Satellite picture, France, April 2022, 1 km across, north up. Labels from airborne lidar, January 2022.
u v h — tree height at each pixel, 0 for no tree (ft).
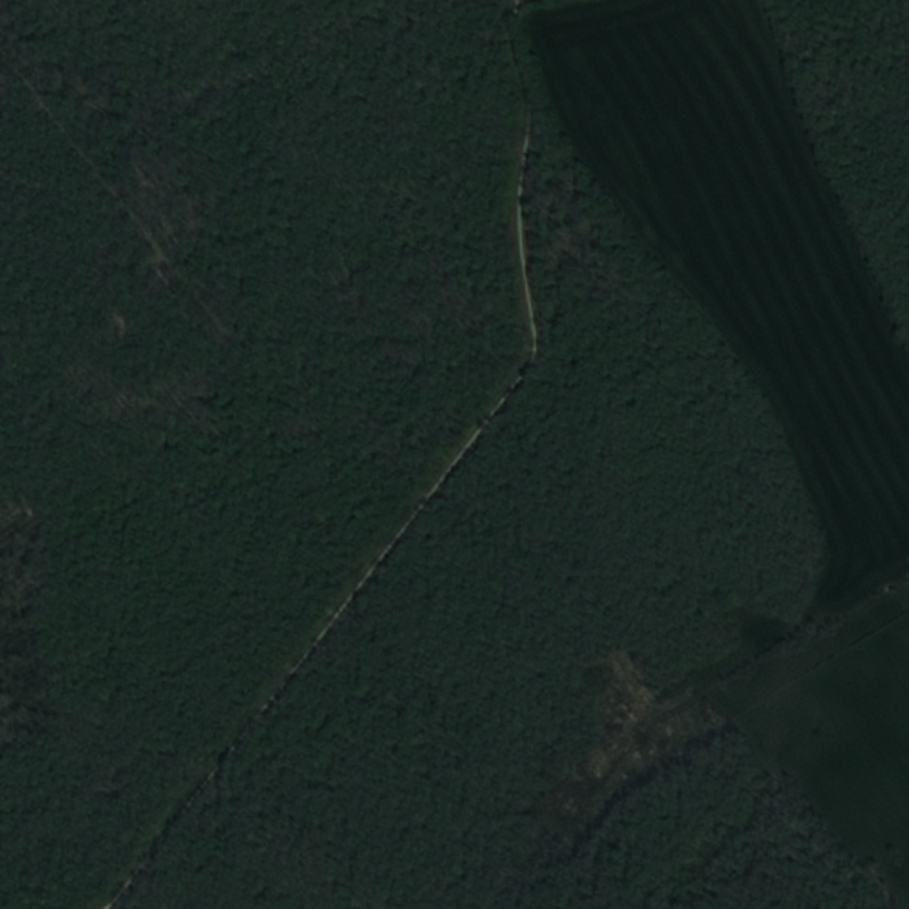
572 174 83
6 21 99
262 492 73
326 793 83
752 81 0
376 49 70
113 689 69
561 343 74
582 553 62
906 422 0
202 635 58
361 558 65
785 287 0
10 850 85
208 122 74
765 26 0
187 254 83
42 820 79
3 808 74
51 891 69
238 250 87
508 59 67
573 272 72
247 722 0
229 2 68
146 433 76
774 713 0
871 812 0
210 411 81
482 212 77
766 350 0
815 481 0
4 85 90
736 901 79
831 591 0
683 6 0
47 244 74
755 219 0
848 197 66
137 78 73
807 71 75
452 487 64
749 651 0
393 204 70
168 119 70
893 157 70
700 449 71
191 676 71
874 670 0
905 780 0
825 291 0
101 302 96
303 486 66
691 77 0
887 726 0
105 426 78
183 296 86
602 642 67
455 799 87
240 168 74
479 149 72
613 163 0
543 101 45
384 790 73
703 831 77
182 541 78
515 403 68
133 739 74
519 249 0
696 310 44
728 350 42
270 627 79
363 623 70
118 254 87
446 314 77
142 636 64
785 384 0
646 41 0
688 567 76
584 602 65
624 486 79
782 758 0
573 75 0
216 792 79
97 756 78
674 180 0
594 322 67
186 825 69
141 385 85
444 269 80
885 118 72
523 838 75
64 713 68
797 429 0
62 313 88
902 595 0
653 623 78
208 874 70
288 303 66
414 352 82
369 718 82
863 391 0
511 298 72
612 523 71
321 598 63
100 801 81
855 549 0
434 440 71
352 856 82
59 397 82
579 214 101
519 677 71
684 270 0
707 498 72
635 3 0
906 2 79
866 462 0
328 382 72
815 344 0
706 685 0
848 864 57
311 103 82
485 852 75
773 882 69
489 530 64
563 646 73
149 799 74
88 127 77
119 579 69
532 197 75
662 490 70
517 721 80
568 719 70
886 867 0
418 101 65
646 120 0
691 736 0
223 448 82
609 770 0
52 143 62
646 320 74
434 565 80
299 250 83
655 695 72
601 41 0
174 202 91
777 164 0
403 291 78
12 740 71
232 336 82
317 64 75
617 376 73
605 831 67
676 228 0
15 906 68
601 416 74
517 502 71
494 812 80
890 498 0
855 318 0
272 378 76
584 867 74
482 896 73
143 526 75
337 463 71
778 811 65
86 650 80
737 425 79
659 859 75
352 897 77
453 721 69
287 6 68
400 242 76
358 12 84
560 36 0
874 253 70
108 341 89
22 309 61
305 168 67
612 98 0
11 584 68
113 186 83
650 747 0
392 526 52
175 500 72
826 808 0
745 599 70
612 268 88
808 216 0
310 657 0
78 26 79
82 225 84
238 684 72
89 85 86
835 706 0
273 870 75
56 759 74
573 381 67
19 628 66
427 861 79
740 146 0
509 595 63
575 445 62
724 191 0
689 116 0
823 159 70
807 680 0
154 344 89
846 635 0
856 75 79
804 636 52
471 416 66
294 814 80
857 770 0
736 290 0
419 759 76
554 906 80
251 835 75
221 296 82
